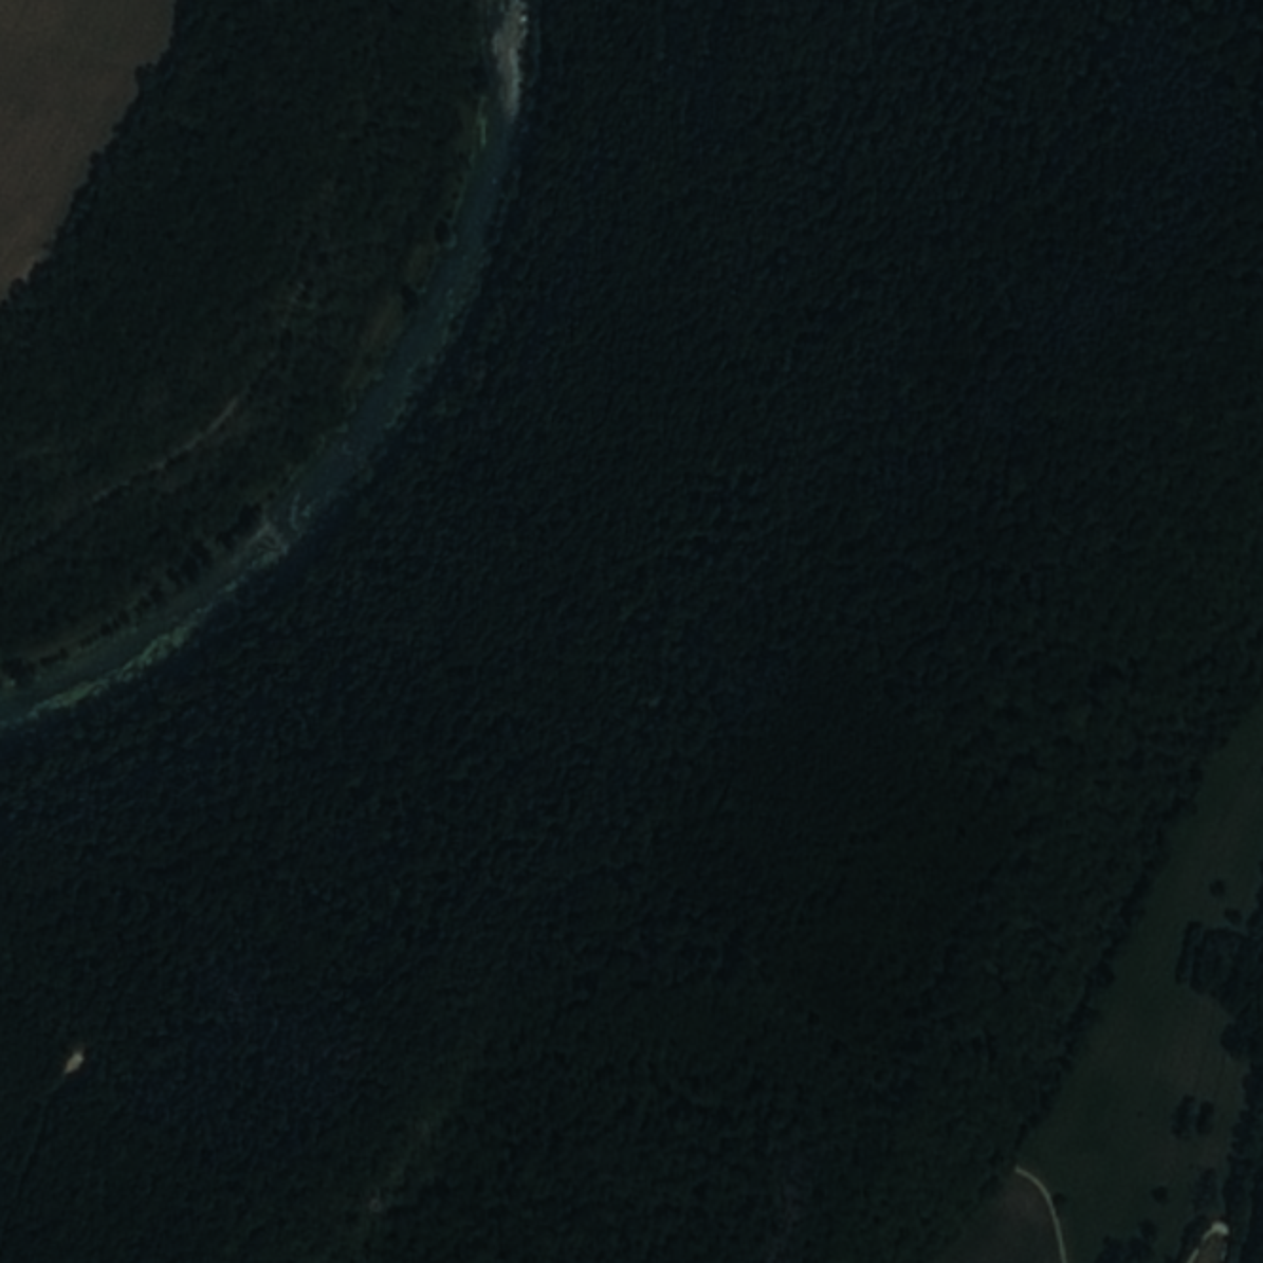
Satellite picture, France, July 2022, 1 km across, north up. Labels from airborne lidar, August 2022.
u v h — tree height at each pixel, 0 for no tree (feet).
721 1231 66
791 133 65
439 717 91
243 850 87
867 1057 34
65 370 33
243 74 66
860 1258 71
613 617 75
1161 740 73
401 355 0
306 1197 57
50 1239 73
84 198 41
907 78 73
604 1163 58
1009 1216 0
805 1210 67
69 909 76
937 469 88
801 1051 86
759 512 68
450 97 58
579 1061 90
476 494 71
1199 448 66
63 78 0
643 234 55
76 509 21
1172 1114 0
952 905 45
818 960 46
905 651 97
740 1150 82
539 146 83
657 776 86
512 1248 83
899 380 83
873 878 37
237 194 72
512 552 71
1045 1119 43
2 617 53
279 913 83
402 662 76
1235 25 76
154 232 53
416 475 79
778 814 60
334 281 31
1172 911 0
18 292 51
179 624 0
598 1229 69
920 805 36
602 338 55
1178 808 76
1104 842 75
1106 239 74
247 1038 62
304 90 60
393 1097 58
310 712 64
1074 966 58
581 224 46
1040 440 80
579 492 65
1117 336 71
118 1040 67
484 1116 88
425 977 59
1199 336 77
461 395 81
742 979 74
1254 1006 71
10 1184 48
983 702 84
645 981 72
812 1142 87
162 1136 73
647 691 73
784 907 33
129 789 59
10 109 0
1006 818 46
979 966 89
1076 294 96
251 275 53
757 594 78
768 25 73
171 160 59
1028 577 79
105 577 68
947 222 75
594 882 95
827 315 59
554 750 62
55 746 91
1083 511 72
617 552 67
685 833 63
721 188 53
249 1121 65
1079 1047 64
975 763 85
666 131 68
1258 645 96
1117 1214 0
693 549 79
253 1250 67
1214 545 67
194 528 73
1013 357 93
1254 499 66
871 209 75
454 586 75
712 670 92
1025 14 86
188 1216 68
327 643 76
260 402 28
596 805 69
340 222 43
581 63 53
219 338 28
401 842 63
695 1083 95
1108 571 65
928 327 84
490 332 64
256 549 0
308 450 62
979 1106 67
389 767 113
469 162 72
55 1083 39
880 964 65
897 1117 78
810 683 68
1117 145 101
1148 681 85
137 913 82
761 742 70
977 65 87
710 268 73
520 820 70
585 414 63
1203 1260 0
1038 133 84
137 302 50
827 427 75
